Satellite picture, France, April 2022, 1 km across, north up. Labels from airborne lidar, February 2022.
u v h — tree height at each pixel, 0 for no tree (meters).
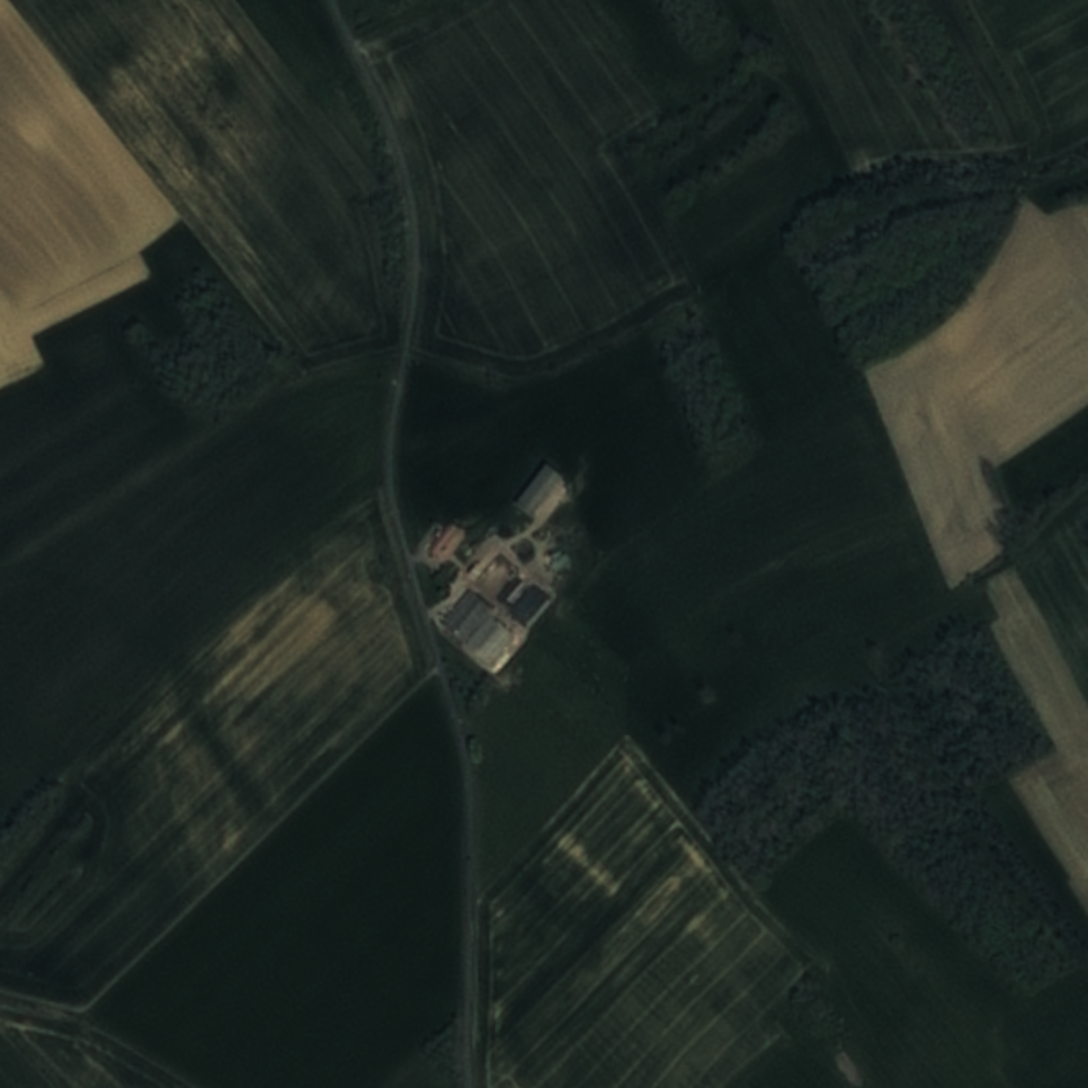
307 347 0
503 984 0
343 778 0
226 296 11
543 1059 0
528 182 0
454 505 0
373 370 0
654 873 0
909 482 0
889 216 0
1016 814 0
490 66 0
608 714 0
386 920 0
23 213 0
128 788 0
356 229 0
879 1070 0
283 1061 0
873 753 28
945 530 0
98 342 0
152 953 0
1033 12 0
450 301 0
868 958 0
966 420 0
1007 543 19
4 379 0
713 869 0
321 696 0
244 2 0
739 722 0
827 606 0
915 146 0
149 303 0
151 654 0
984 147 21
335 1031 0
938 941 0
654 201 0
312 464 0
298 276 0
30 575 0
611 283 0
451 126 0
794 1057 0
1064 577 0
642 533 0
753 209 0
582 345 0
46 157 0
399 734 0
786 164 0
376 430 0
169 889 0
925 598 0
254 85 0
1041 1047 0
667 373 15
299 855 0
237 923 0
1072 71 0
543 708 0
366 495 0
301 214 0
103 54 0
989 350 0
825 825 21
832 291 21
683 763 0
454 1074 7
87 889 0
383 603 0
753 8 0
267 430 0
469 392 0
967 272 23
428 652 0
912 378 0
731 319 0
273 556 0
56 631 0
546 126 0
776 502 0
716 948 0
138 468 0
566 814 0
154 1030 0
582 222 0
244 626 0
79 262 0
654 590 0
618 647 0
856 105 0
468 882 0
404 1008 0
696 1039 0
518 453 0
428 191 0
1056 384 0
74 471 0
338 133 0
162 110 0
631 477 0
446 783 0
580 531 0
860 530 0
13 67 0
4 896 0
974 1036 0
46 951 0
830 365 0
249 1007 0
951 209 21
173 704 0
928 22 20
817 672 0
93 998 0
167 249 0
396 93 0
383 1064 0
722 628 0
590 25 0
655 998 0
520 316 0
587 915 0
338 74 0
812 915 0
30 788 0
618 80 0
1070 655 0
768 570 0
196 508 0
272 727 0
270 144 0
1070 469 0
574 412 0
